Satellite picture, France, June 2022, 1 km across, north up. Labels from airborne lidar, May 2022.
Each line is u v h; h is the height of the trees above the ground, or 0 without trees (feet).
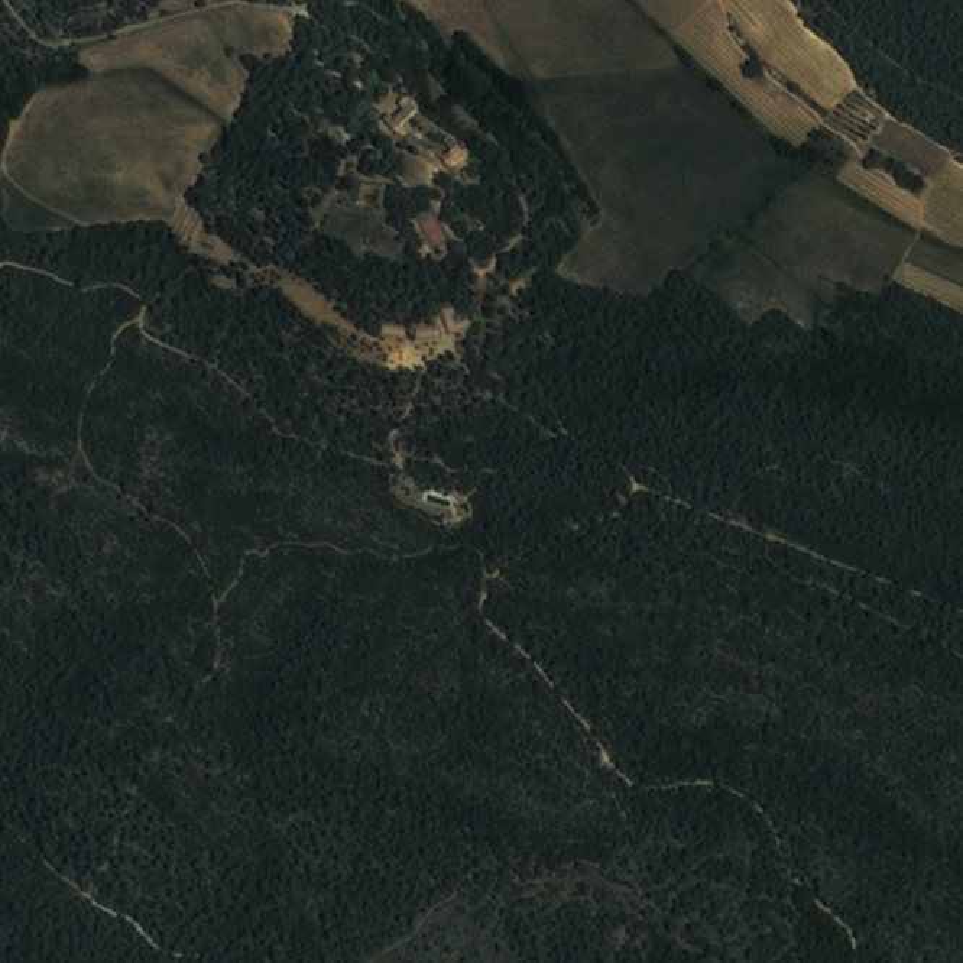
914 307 39
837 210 0
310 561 23
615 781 37
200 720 25
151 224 28
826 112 0
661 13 0
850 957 49
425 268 37
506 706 23
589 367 36
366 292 28
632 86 0
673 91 0
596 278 0
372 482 29
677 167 0
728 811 44
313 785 58
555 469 53
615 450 44
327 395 26
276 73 30
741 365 46
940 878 46
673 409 23
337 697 20
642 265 0
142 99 0
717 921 49
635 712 19
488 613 22
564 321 35
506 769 25
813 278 0
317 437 30
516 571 26
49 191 0
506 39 0
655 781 25
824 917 40
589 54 0
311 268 75
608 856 26
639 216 0
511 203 73
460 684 20
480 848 32
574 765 19
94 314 19
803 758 22
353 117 45
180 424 23
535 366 64
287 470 26
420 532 25
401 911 22
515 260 56
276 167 58
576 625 20
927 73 42
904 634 57
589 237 0
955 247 0
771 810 66
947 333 30
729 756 27
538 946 55
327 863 19
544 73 0
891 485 26
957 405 38
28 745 31
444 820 35
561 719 25
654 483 41
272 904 46
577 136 0
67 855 24
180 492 18
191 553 22
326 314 0
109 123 0
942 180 0
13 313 55
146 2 71
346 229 0
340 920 55
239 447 18
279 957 53
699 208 0
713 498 54
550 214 30
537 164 36
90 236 31
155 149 0
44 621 26
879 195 0
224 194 40
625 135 0
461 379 55
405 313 28
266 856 26
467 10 0
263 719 54
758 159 0
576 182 30
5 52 48
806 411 45
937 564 18
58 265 49
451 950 44
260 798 21
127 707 19
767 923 52
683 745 60
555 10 0
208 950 19
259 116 36
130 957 52
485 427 29
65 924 60
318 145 48
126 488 49
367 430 62
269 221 21
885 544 45
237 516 18
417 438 31
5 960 51
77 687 43
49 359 19
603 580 34
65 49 20
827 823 28
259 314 38
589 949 57
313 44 50
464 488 26
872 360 26
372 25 21
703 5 0
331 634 42
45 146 0
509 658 52
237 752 25
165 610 22
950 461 52
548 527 45
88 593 43
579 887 29
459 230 39
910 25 41
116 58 0
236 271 65
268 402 24
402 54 60
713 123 0
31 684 58
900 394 30
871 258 0
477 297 68
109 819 51
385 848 38
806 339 53
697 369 45
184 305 51
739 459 38
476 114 45
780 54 0
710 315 54
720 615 19
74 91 0
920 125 39
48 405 18
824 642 57
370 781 49
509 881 31
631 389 48
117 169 0
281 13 0
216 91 0
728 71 0
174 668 38
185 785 18
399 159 50
